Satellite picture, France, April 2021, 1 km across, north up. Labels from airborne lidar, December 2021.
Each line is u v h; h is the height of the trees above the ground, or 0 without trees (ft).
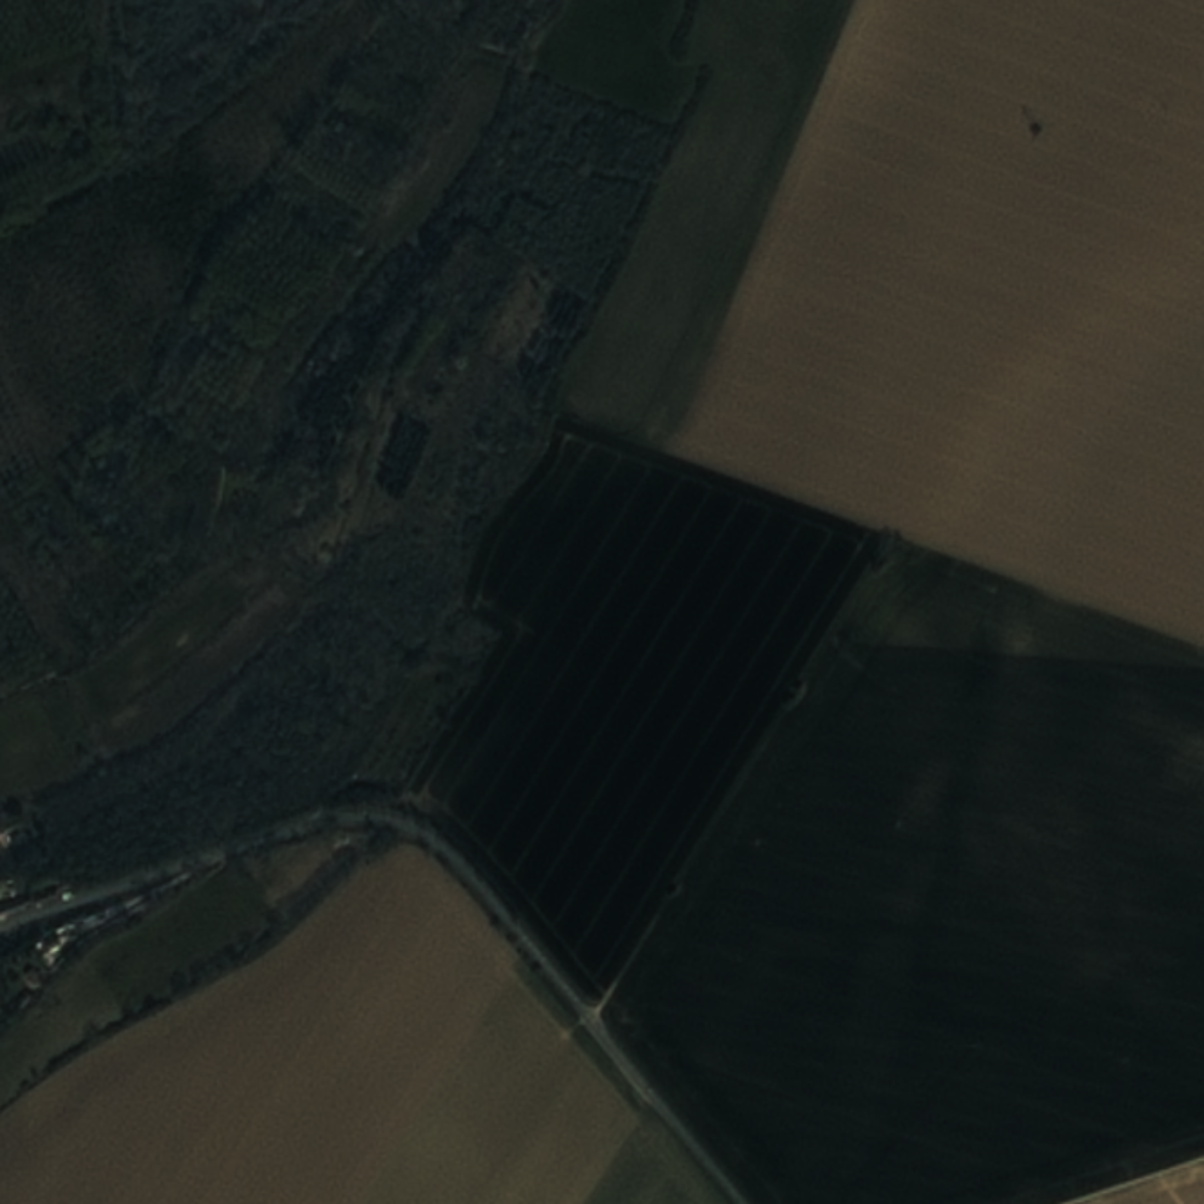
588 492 0
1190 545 0
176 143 45
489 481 41
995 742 0
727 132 0
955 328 0
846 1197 0
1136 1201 0
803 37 0
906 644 0
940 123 0
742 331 0
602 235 22
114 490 63
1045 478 0
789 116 0
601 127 17
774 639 0
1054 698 0
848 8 0
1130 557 0
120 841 63
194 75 63
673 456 0
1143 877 0
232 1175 0
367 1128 0
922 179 0
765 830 0
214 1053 0
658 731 0
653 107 0
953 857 0
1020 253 0
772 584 0
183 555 38
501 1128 0
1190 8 0
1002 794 0
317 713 65
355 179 93
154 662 0
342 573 34
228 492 0
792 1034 0
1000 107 0
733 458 0
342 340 68
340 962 0
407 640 67
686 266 0
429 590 33
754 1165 0
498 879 0
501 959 0
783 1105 0
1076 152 0
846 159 0
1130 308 0
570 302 35
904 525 0
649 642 0
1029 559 0
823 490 0
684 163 0
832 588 0
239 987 0
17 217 59
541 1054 0
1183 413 0
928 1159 0
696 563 0
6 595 78
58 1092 0
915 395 0
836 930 0
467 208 51
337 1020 0
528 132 26
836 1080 0
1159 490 0
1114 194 0
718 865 0
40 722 0
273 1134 0
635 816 0
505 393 41
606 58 0
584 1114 0
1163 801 0
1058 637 0
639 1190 0
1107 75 0
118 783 57
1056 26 0
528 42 51
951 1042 0
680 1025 0
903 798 0
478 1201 0
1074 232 0
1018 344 0
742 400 0
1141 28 0
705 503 0
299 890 0
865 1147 0
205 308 73
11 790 0
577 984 0
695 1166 0
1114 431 0
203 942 0
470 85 0
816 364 0
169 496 67
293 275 95
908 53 0
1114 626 0
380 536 26
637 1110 0
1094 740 0
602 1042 0
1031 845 0
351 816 0
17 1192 0
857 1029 0
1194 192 0
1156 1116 0
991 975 0
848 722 0
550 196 20
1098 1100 0
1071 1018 0
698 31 0
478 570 0
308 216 65
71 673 23
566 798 0
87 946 46
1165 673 0
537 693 0
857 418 0
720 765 0
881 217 0
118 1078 0
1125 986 0
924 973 0
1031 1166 0
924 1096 0
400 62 67
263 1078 0
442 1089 0
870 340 0
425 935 0
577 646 0
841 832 0
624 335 0
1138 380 0
